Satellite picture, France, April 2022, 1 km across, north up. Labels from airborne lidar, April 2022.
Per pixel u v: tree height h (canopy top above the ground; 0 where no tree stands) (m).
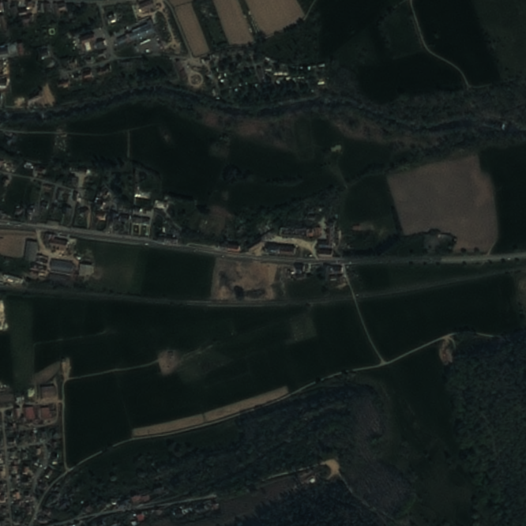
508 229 0
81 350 0
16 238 0
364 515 15
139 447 0
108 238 0
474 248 0
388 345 0
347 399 18
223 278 13
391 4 0
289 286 0
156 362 0
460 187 0
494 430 19
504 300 0
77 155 0
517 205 0
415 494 21
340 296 0
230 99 12
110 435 0
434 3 0
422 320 0
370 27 0
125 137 0
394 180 0
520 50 0
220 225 0
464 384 26
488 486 19
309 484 0
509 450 21
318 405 8
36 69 0
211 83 13
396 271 0
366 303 0
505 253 0
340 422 14
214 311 0
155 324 0
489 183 0
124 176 6
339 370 0
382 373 0
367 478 29
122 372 0
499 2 0
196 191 0
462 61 0
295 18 0
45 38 7
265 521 18
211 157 0
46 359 0
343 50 0
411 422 0
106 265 0
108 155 0
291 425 23
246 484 7
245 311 0
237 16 0
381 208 0
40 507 0
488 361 23
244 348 0
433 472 0
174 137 0
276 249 0
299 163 0
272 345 0
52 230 0
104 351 0
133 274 0
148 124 0
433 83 0
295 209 10
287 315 0
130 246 0
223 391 0
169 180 0
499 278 0
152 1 0
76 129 0
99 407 0
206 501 0
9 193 0
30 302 0
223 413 0
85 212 0
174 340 0
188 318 0
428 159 18
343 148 0
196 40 0
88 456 0
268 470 9
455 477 0
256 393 0
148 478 11
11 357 0
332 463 0
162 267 0
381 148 0
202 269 0
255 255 0
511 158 0
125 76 13
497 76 0
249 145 0
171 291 0
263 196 0
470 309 0
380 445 24
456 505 0
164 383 0
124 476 0
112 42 0
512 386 23
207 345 0
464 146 17
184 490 11
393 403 0
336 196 13
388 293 0
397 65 0
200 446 0
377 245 0
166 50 0
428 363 0
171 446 14
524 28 0
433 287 0
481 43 0
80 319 0
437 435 0
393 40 0
